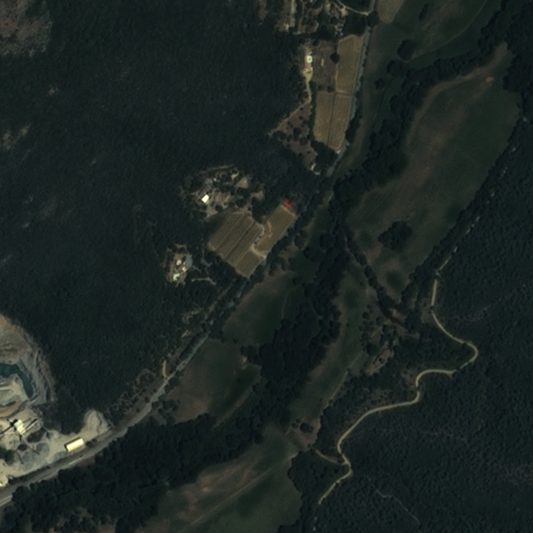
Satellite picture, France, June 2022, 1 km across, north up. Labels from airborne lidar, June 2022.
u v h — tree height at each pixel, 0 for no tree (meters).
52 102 8
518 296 11
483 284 12
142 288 9
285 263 15
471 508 11
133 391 8
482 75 0
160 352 8
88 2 7
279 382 12
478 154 0
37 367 0
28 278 11
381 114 6
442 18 0
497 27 37
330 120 0
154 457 22
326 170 9
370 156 15
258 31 8
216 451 11
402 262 0
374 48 0
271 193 9
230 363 0
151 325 9
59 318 12
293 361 19
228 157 8
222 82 8
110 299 10
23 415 0
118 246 9
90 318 10
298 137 10
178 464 22
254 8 7
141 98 7
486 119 0
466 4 0
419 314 18
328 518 16
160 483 34
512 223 7
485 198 16
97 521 16
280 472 0
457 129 0
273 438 0
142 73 7
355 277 0
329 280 16
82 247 10
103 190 6
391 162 34
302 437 0
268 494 0
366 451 9
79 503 25
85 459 0
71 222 6
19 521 25
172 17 8
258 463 0
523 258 9
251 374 0
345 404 17
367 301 0
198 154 7
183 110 7
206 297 14
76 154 9
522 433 14
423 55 6
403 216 0
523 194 13
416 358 14
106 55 10
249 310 0
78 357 9
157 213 10
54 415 9
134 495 29
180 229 8
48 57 9
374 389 13
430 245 0
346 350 0
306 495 11
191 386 0
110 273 9
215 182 12
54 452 0
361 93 10
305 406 0
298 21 9
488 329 7
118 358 8
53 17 8
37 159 6
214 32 9
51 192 6
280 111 7
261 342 0
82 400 12
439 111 0
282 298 0
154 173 8
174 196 10
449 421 15
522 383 8
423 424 7
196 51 8
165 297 9
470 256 10
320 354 16
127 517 28
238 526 0
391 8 0
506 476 5
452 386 6
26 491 26
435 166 0
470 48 7
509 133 0
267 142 14
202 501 0
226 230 0
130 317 11
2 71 8
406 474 15
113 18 7
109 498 16
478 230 12
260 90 9
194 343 14
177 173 10
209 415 16
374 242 0
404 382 7
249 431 11
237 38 9
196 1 8
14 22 0
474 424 19
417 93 11
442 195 0
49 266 11
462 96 0
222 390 0
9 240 6
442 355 12
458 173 0
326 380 0
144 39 7
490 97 0
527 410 12
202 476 0
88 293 9
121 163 7
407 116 17
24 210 6
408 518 6
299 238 15
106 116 9
